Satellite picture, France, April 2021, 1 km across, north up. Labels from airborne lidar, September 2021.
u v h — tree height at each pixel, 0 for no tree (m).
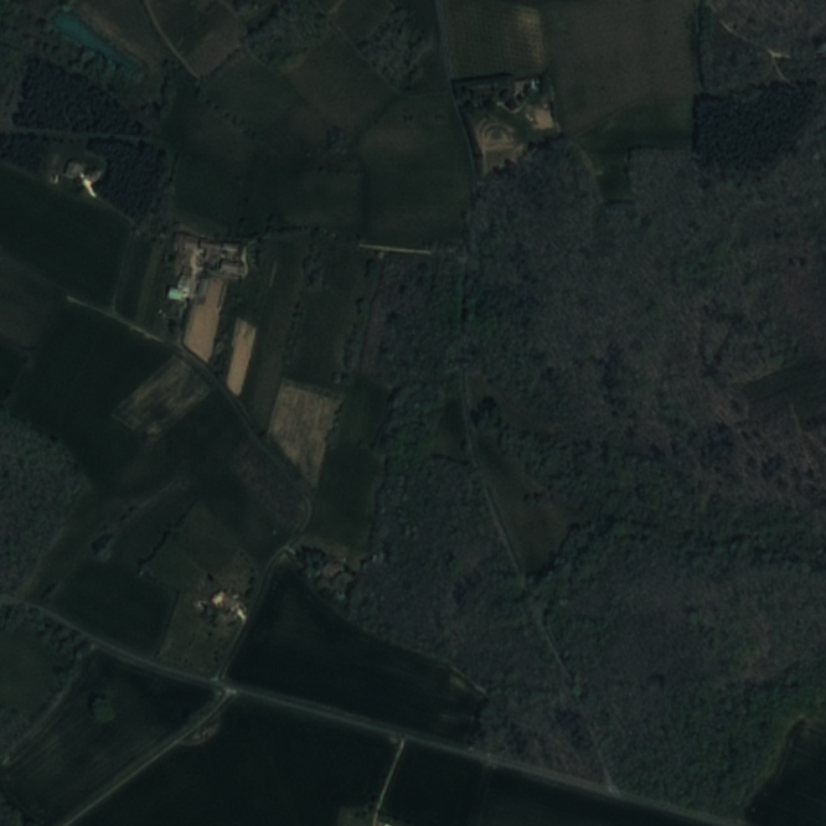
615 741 23
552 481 13
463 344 25
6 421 18
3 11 13
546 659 16
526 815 0
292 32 17
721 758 26
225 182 0
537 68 0
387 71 13
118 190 14
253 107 0
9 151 13
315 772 0
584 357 22
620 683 19
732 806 16
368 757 0
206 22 0
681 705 19
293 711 0
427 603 16
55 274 0
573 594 15
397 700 0
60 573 0
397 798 0
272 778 0
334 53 0
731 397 14
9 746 11
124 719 0
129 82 11
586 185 21
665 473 26
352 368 9
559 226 18
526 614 21
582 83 6
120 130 15
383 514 15
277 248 0
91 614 0
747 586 21
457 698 0
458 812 0
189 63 0
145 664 0
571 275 21
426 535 15
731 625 17
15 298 0
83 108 14
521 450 11
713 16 11
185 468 0
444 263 13
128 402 0
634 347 20
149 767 0
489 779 0
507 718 15
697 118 13
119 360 0
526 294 22
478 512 20
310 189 0
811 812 0
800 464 11
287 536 0
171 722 0
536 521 0
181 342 0
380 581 16
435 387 14
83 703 0
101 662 0
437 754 0
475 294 23
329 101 0
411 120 9
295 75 0
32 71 17
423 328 14
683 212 15
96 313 0
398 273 7
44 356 0
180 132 0
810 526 17
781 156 18
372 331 9
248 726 0
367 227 0
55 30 8
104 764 0
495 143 0
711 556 17
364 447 7
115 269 0
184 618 0
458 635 19
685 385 21
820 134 14
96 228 0
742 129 19
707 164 16
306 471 0
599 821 0
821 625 19
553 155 23
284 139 0
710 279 17
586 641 15
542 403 10
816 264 6
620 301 21
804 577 22
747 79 18
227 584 0
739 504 19
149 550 0
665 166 13
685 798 16
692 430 24
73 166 0
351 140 14
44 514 19
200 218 0
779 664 16
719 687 20
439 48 0
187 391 0
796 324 7
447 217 0
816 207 18
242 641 0
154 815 0
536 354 19
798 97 17
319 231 7
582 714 18
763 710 21
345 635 0
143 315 0
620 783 19
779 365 15
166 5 0
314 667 0
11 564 17
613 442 9
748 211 14
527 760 18
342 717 0
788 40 17
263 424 0
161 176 15
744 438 10
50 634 7
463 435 0
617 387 24
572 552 12
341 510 0
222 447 0
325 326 0
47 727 0
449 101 0
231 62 7
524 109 0
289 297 0
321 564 8
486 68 0
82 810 0
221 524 0
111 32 0
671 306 17
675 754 21
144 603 0
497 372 21
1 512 19
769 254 6
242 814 0
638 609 15
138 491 0
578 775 17
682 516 21
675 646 12
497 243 21
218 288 0
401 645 17
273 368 0
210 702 0
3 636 0
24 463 18
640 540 7
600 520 8
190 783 0
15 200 0
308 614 0
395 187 0
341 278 0
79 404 0
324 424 0
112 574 0
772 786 0
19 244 0
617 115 0
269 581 0
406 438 21
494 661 17
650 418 14
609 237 12
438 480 15
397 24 11
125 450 0
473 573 12
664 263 17
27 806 0
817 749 0
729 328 26
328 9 0
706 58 14
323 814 0
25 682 0
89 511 0
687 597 18
